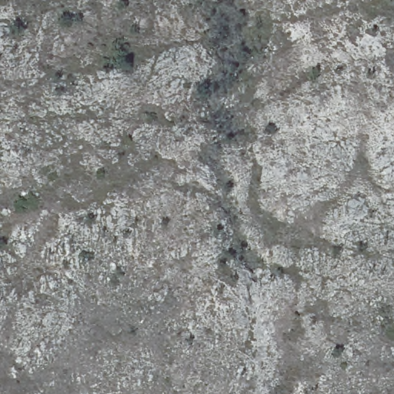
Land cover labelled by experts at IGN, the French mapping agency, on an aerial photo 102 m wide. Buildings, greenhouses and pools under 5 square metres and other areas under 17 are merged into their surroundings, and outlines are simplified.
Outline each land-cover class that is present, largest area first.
<instances>
[{"label":"bare soil","instance_id":"1","mask_svg":"<svg viewBox=\"0 0 394 394\"><path fill-rule=\"evenodd\" d=\"M197 0H0V394H394V368L385 372L383 368H369L366 366V359L380 357V360H394V32L389 29L385 17L366 20V15L362 12H349L351 3L360 5L362 0H234L240 14H248V25L242 28V35L246 46L251 49V57L248 69L240 75L239 85L229 89L226 97H220V103L234 114L232 132L226 137L219 134L217 129L199 123V117H206L209 112L206 108L195 109L191 100L192 92L197 89V82H203L211 74V68H214L217 60L206 55V49L202 45L169 49L166 45L180 40H197L202 37L203 31L209 28L208 22L203 20L200 14H186L182 17L179 14L180 6ZM114 49L123 52L126 62L134 63L135 69L132 74H122L115 69L106 72L100 65L97 58L100 55H111ZM169 179L177 180L180 185L199 182L203 188L217 195H222L226 182L234 180V188L231 191L234 197L232 206L237 208L235 215L240 220V229L246 237L240 246L255 249L265 263H277L283 268L291 265L300 268V289L294 288V282L288 275H282L272 282L269 269H255L257 282L251 289H246L245 285L229 286L226 280L220 279L217 268L219 257L222 255V237L217 235L203 242L199 239V231L202 229L203 232L208 231L211 226H217V231L223 229L222 225L215 223L219 214H206L209 209L206 195L197 192L195 197H191V192L175 191L169 185ZM29 192L37 195L40 205L38 208L42 211L15 212V200L20 195H28Z\"/></svg>","mask_w":394,"mask_h":394},{"label":"brushwood","instance_id":"2","mask_svg":"<svg viewBox=\"0 0 394 394\"><path fill-rule=\"evenodd\" d=\"M179 14L182 17L186 14H200L203 20L208 22L209 28L203 31L202 37L197 40H180L166 45L169 49L202 45L206 49V55L217 60L214 68H211V74L203 82H197V89L192 92L191 100L195 109L206 108L209 112L206 117H199V123L217 129L219 134L226 137L232 132L234 114L220 103V97H226L229 89L239 85L240 75L248 69L251 57V49L246 46L242 35V28L248 25V14H240L234 0H197L180 6ZM100 65L106 72L115 69L122 74H132L135 69L134 63L126 62L123 52L114 49L111 55H100L97 58ZM169 185L175 191L191 192V197H195L197 192L206 195L209 209L206 214H219L215 223L222 225L223 229L217 231V226H211L208 231L203 232L202 229L199 231V239L203 242L217 235L222 237V255L219 257L217 268L220 279L226 280L229 286L245 285L246 289H251L257 282L255 269H269L272 282L282 275H288L294 282V288L300 289V268L291 265L283 268L277 263H265L255 249L240 246L246 237L240 229V220L235 215L237 208L232 206L234 197L231 191L234 188V180L226 182L222 195H217L203 188L199 182L180 185L177 180L169 179ZM40 205L37 195L29 192L28 195H20L15 200V212L42 211L38 208Z\"/></svg>","mask_w":394,"mask_h":394},{"label":"herbaceous vegetation","instance_id":"3","mask_svg":"<svg viewBox=\"0 0 394 394\"><path fill-rule=\"evenodd\" d=\"M349 12H362L366 15V20L385 17L389 29L394 32V0H362L360 5L351 3ZM366 366L369 368H383L385 372L394 368V360H380V357L366 359Z\"/></svg>","mask_w":394,"mask_h":394}]
</instances>
